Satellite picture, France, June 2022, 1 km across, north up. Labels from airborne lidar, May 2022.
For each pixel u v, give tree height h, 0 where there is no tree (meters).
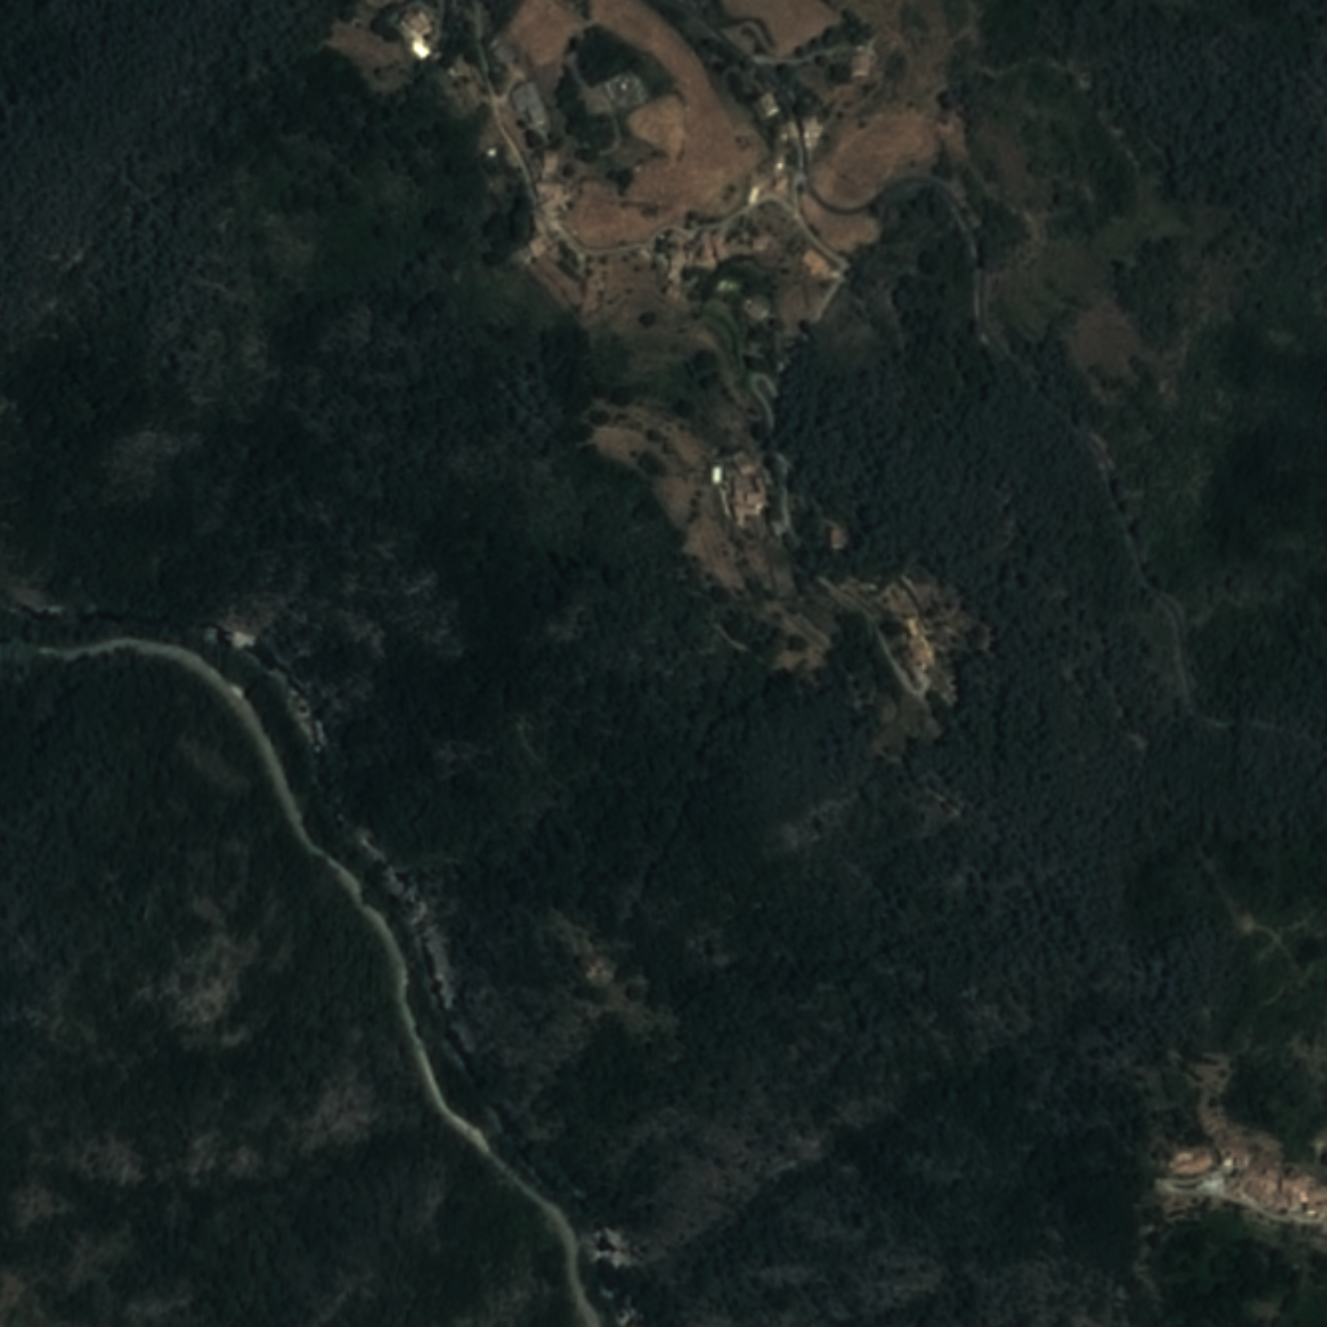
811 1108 8
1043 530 19
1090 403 15
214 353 6
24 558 8
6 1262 9
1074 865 20
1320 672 11
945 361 15
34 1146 8
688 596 6
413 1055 11
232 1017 10
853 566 20
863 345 0
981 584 24
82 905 17
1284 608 6
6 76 14
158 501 9
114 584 15
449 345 13
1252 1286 10
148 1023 13
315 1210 14
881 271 0
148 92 17
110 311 22
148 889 11
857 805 9
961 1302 6
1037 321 0
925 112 0
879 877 6
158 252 18
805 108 11
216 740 12
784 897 14
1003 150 0
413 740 16
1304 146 18
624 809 15
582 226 0
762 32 0
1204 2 19
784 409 18
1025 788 19
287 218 7
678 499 0
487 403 13
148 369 10
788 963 13
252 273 6
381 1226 11
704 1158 8
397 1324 11
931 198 10
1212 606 7
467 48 10
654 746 8
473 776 10
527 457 10
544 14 0
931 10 0
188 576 17
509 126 0
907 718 0
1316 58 18
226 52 12
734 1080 10
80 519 9
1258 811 18
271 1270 10
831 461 21
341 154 10
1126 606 20
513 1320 5
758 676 7
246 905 12
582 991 11
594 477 8
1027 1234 9
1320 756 19
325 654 21
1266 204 18
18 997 6
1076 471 17
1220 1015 8
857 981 11
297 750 13
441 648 7
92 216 12
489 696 15
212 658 21
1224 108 24
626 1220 6
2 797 18
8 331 12
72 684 17
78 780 11
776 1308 6
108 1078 13
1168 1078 8
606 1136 9
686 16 7
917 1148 8
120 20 19
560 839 8
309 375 10
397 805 9
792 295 0
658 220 0
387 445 6
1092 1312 6
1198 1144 8
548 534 6
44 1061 7
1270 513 7
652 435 10
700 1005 15
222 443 15
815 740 6
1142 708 18
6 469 12
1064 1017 8
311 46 11
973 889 7
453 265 14
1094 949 16
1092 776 19
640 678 9
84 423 7
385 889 9
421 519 11
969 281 6
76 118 16
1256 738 16
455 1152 8
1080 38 12
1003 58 7
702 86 0
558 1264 7
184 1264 11
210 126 16
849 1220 7
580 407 16
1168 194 6
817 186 0
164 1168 7
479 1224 12
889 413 15
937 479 15
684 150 0
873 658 8
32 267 9
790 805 8
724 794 7
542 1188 10
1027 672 20
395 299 11
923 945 14
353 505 9
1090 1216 14
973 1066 11
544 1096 9
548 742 10
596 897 10
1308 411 8
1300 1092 7
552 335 11
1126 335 0
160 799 14
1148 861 7
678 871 13
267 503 17
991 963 15
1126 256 0
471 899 7
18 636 16
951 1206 7
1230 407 6
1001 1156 8
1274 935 0
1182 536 8
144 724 21
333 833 20
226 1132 9
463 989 11
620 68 9
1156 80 20
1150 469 7
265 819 17
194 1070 7
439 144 7
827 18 0
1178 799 19
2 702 20
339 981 17
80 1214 11
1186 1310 8
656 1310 15
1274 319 14
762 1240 9
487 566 15
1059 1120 6
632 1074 7
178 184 16
